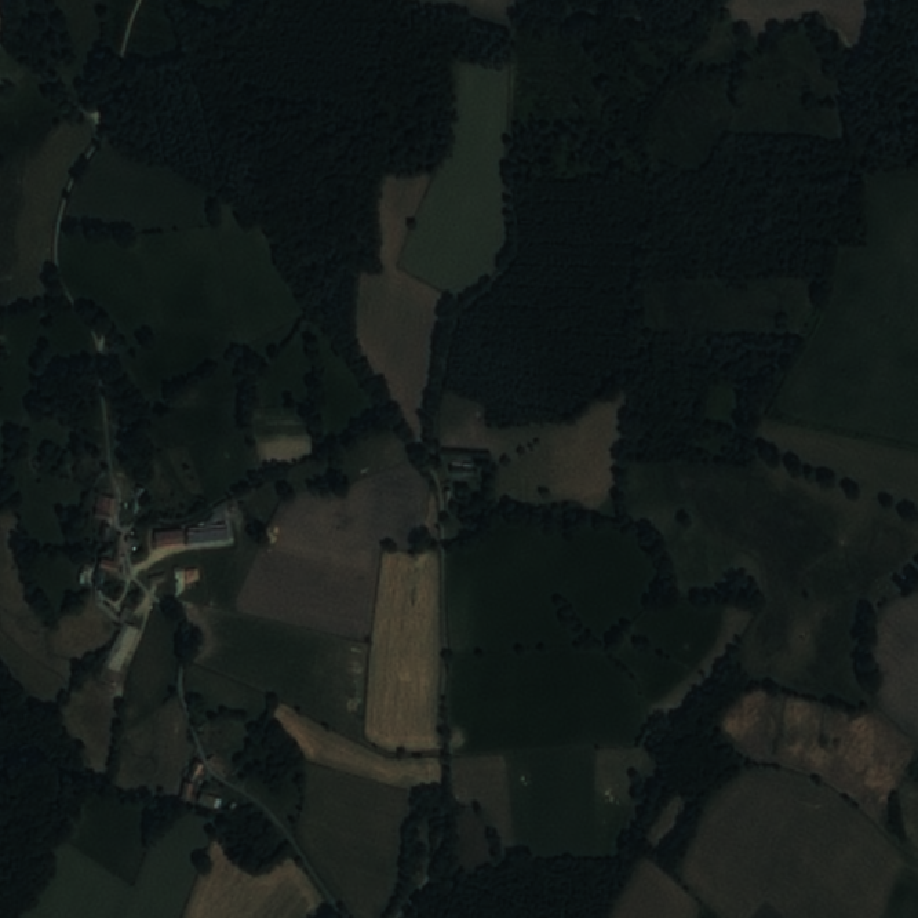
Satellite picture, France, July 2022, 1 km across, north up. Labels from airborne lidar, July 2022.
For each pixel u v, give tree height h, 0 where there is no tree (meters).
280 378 0
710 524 0
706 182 11
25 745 7
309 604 0
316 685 0
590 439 0
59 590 0
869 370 0
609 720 0
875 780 0
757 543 0
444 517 14
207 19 22
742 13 0
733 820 0
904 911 0
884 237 0
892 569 0
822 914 0
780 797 0
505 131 0
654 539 23
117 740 10
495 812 0
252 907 0
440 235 0
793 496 0
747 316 0
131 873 0
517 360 13
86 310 19
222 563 0
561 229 11
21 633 0
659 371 14
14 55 11
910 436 0
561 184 10
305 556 0
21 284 0
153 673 0
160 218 0
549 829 0
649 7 20
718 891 0
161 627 0
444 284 0
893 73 21
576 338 11
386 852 0
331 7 8
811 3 0
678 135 0
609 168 15
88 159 14
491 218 0
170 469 0
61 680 0
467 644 0
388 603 0
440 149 19
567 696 0
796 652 0
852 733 0
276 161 26
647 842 14
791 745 0
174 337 0
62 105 23
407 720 0
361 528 0
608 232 10
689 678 0
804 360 0
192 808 13
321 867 0
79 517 23
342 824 0
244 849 11
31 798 30
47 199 0
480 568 0
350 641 0
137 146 24
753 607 17
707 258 7
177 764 0
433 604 0
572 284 9
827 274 15
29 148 0
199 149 22
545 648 10
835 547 0
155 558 0
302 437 0
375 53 10
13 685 31
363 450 0
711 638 0
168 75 18
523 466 0
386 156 21
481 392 13
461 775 0
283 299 0
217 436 0
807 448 0
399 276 0
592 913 15
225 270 0
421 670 0
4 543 0
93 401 11
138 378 0
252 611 0
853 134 23
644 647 14
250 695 0
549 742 0
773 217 14
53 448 9
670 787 17
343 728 0
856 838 0
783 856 0
